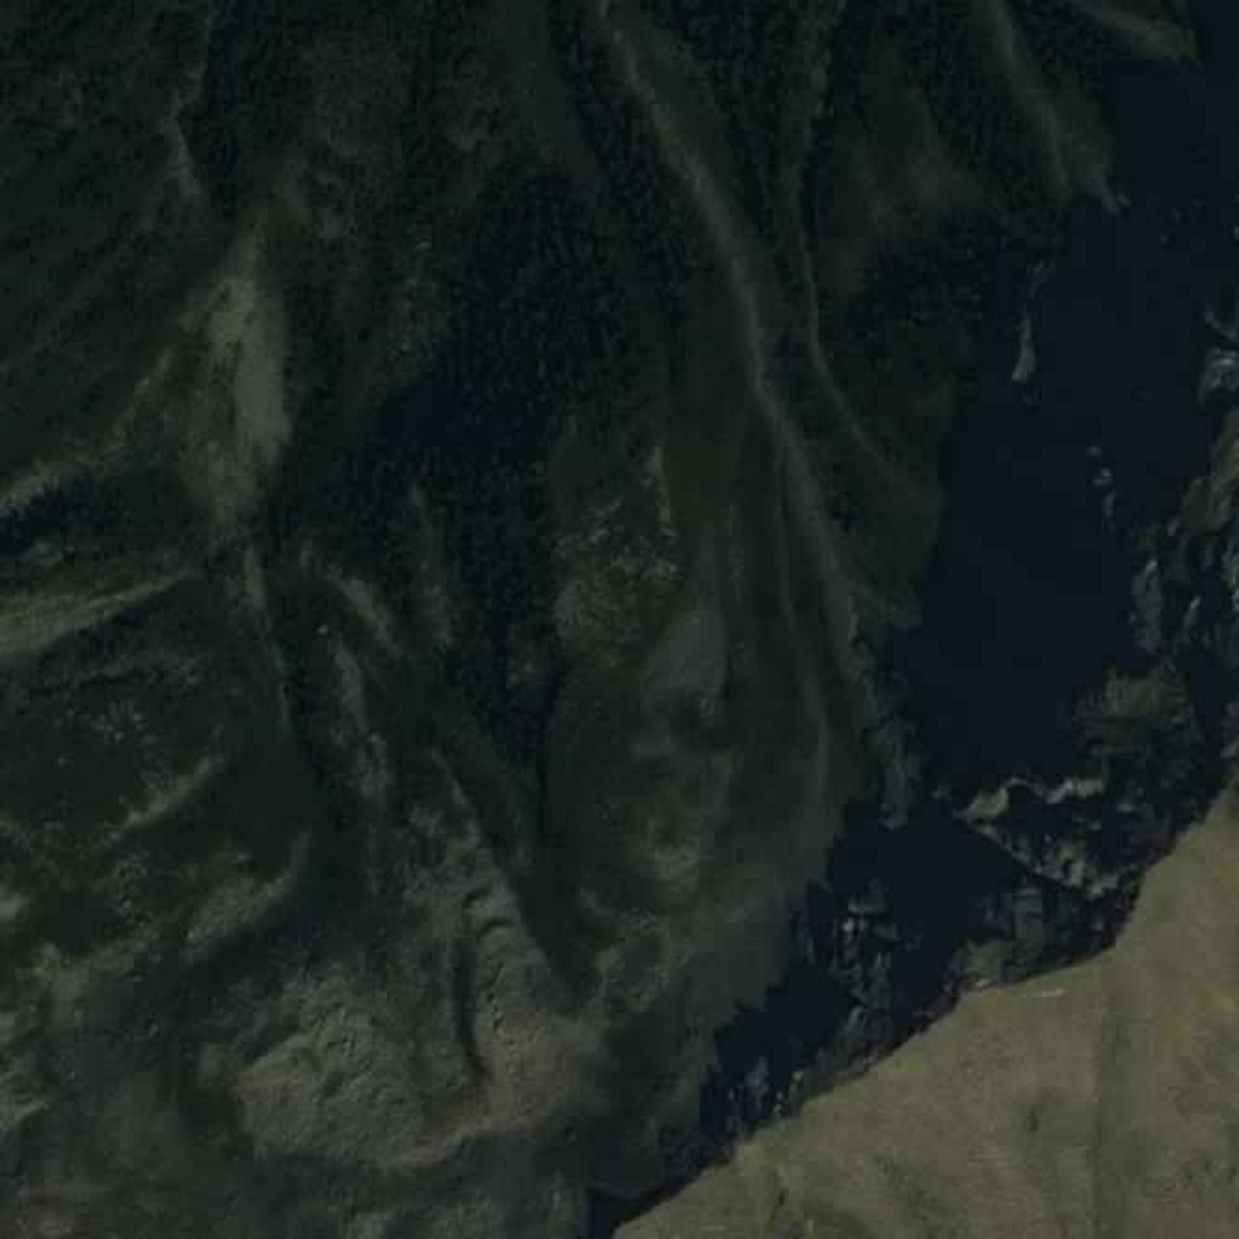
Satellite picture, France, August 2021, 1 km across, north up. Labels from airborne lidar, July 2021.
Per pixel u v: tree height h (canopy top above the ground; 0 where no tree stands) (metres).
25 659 0
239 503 0
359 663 0
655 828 0
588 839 0
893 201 0
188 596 0
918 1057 0
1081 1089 0
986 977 0
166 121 0
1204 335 0
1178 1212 0
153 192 0
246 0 7
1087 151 0
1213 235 0
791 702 0
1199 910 0
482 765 0
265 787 0
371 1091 0
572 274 11
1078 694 0
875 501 0
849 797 0
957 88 6
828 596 0
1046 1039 0
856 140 0
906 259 0
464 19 13
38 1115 0
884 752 0
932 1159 0
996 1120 0
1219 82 0
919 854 0
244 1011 0
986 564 0
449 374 8
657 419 0
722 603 0
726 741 0
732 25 12
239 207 9
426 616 0
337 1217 0
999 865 0
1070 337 0
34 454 0
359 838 0
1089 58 10
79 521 9
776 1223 0
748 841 0
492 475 10
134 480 0
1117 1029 0
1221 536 0
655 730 0
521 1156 0
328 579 0
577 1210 0
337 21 9
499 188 12
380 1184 0
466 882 0
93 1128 0
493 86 8
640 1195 0
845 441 0
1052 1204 0
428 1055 0
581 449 0
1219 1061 0
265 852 0
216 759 0
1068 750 0
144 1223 0
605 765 0
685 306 7
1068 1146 0
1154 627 0
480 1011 0
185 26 9
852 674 0
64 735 0
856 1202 0
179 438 0
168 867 0
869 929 0
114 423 0
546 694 0
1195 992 0
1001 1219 0
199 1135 0
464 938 0
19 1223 0
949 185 0
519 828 0
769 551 0
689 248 11
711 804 0
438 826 0
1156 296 0
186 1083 0
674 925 0
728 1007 0
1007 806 0
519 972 0
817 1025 0
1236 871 0
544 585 0
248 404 0
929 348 0
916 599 0
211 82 9
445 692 0
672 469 0
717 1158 0
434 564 0
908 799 0
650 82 0
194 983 0
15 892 0
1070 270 0
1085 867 0
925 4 12
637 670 0
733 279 0
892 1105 0
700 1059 0
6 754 0
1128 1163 0
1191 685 0
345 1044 0
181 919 0
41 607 0
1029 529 0
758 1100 0
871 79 10
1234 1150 0
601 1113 0
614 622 0
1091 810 0
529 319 8
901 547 0
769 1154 0
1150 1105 0
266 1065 0
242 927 0
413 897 0
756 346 0
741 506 0
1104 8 0
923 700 0
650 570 0
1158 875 0
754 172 14
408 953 0
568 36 17
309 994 0
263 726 0
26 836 0
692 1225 0
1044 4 11
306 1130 0
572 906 0
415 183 12
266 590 0
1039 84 0
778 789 0
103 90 9
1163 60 0
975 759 0
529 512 0
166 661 0
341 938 0
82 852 0
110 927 0
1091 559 0
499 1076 0
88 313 6
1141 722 0
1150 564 0
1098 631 0
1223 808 0
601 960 0
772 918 0
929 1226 0
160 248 6
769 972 0
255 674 0
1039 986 0
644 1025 0
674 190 15
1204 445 0
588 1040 0
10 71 8
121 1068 0
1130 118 0
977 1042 0
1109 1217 0
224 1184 0
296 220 0
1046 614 0
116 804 0
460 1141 0
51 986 0
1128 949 0
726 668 0
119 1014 0
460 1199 0
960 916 0
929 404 0
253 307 0
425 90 13
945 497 0
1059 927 0
